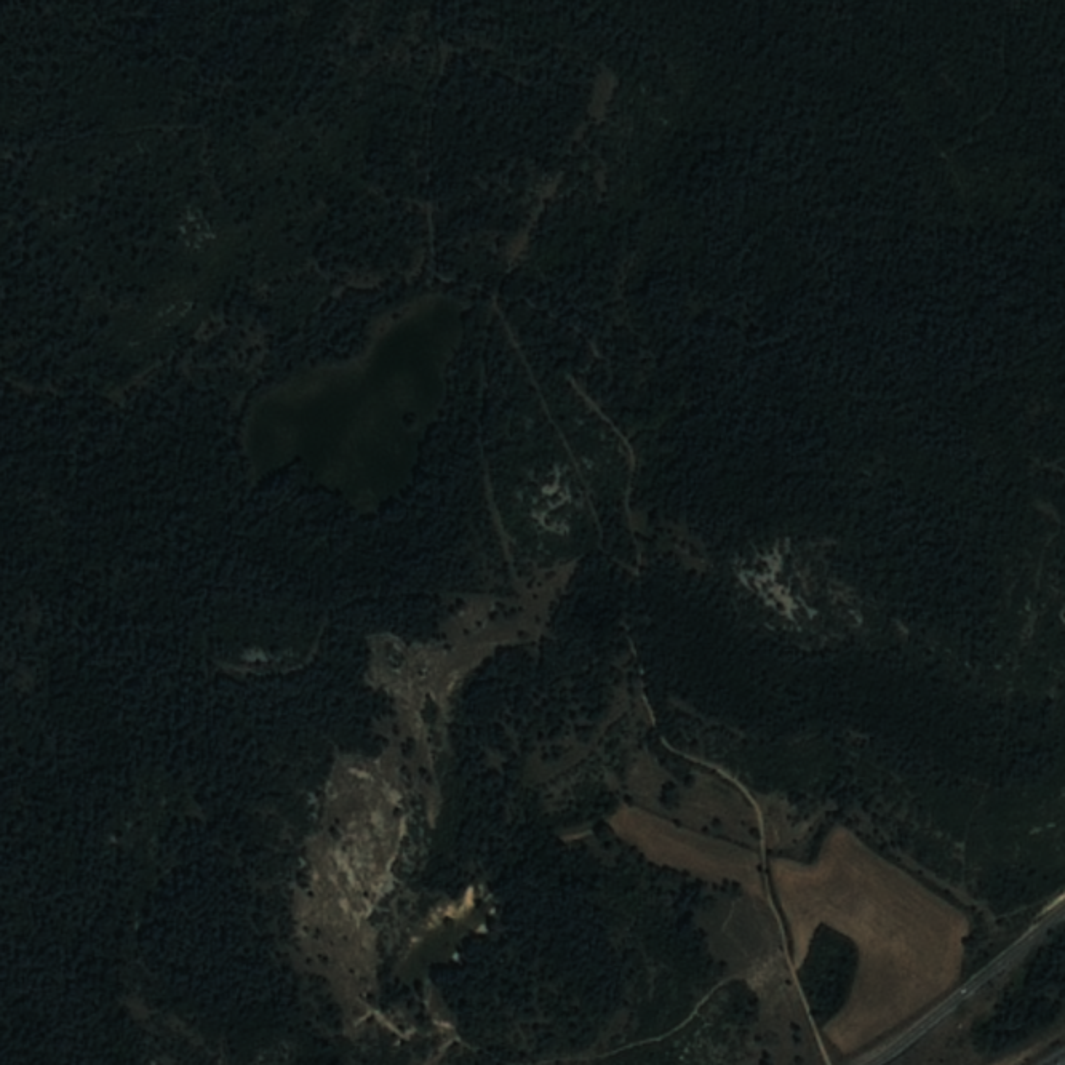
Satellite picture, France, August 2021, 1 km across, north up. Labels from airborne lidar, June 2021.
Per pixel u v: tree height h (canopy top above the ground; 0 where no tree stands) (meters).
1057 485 6
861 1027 0
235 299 13
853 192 9
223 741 12
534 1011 8
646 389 6
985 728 8
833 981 8
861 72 8
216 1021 10
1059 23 8
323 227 7
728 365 17
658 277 17
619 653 9
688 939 9
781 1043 0
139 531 10
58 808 6
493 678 8
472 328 5
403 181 7
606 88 0
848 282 11
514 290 12
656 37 6
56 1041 12
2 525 7
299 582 10
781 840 0
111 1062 10
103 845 10
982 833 0
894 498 7
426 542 11
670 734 11
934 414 8
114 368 8
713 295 12
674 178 12
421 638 9
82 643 14
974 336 11
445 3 8
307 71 9
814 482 10
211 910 16
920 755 6
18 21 10
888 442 8
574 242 6
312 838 0
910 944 0
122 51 6
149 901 12
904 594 7
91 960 10
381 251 7
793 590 6
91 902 9
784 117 11
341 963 0
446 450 9
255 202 7
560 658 12
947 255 11
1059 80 13
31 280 10
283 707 9
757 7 9
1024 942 0
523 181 8
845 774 10
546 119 9
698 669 10
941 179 9
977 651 9
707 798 0
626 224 7
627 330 7
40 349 9
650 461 7
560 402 7
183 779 7
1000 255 12
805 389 13
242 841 11
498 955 13
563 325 12
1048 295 8
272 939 7
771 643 6
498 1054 9
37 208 7
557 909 17
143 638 12
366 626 8
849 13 12
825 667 8
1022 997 5
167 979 9
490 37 9
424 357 0
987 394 8
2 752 8
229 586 8
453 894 10
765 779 7
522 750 6
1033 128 13
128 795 13
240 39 11
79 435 8
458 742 9
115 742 6
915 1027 0
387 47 8
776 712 8
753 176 9
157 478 6
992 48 8
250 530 12
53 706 8
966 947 10
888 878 0
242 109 11
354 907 0
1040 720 8
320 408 0
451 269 13
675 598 13
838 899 0
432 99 8
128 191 9
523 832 14
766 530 9
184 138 10
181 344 10
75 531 6
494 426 12
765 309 11
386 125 7
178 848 8
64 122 8
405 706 0
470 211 7
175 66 10
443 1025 0
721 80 7
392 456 0
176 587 7
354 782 0
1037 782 11
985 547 7
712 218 13
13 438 12
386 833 0
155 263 6
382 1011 6
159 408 8
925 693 9
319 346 9
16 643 8
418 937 0
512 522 5
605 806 11
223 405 8
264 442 0
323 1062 8
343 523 12
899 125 10
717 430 13
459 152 11
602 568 13
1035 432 6
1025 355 7
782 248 14
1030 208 10
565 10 8
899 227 9
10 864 13
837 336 12
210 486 7
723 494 14
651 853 0
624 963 7
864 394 8
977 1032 5
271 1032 5
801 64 9
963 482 10
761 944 0
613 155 8
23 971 10
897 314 18
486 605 0
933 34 9
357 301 9
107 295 7
